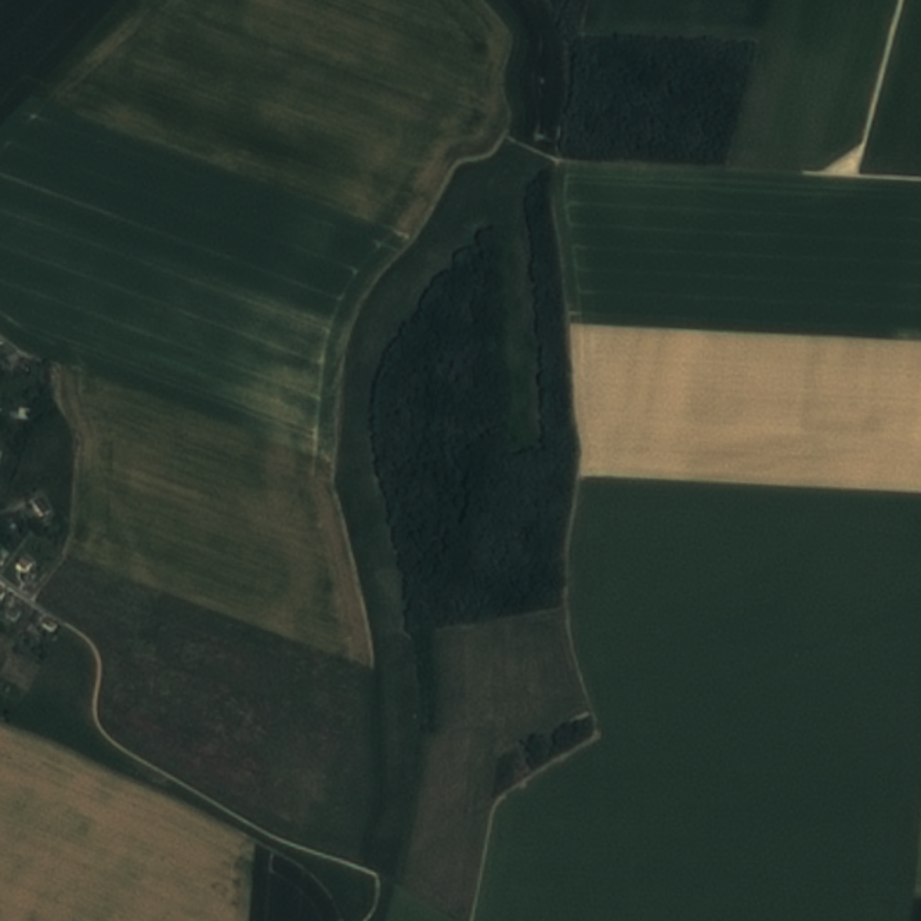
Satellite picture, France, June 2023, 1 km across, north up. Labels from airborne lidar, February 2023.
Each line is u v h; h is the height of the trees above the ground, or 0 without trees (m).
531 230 10
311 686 0
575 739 13
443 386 18
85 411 0
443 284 21
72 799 0
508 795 0
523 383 0
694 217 0
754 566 0
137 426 0
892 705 0
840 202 0
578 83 13
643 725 0
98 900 0
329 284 0
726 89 18
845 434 0
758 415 0
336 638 0
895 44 0
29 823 0
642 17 0
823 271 0
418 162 0
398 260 0
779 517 0
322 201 0
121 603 0
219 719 0
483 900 0
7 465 0
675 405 0
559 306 14
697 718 0
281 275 0
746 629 0
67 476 0
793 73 0
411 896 0
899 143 0
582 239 0
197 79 0
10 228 0
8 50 0
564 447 16
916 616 0
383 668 0
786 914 0
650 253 0
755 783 0
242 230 0
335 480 0
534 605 16
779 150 0
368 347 0
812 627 0
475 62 0
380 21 0
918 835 0
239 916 0
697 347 0
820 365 0
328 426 0
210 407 0
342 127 0
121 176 0
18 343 0
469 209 0
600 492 0
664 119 17
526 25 0
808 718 0
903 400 0
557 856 0
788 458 0
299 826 0
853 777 0
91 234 0
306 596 0
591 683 0
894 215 0
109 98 0
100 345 0
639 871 0
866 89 0
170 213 0
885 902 0
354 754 0
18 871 0
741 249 0
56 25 0
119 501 0
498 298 15
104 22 0
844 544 0
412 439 15
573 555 0
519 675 0
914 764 0
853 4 0
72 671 0
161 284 0
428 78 0
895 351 0
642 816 0
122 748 0
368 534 0
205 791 0
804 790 0
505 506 21
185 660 0
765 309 0
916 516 0
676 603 0
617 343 0
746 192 0
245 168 0
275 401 0
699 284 0
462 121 0
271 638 0
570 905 0
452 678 0
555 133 0
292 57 0
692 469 0
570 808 0
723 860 0
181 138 0
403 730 0
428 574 18
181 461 0
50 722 0
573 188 0
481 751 0
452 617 16
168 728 0
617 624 0
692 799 0
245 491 0
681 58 17
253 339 0
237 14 0
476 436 18
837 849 0
